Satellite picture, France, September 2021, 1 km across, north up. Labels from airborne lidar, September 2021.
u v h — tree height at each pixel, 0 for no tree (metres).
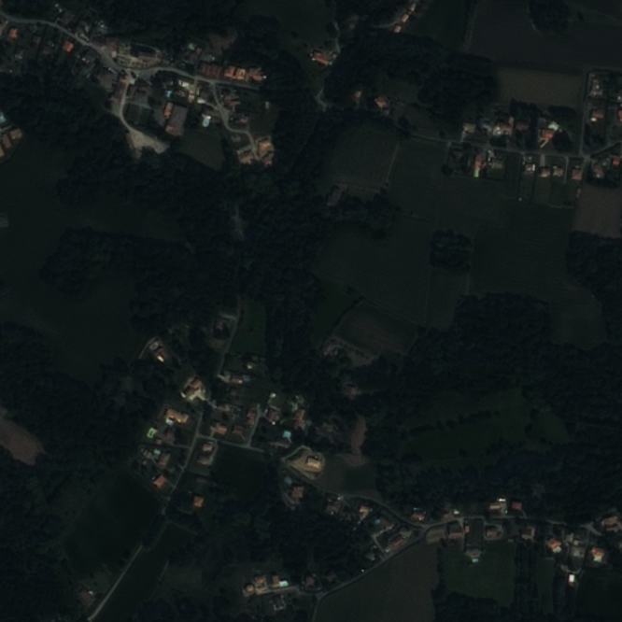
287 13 0
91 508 0
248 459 0
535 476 24
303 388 21
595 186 8
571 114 11
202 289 22
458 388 23
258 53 23
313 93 0
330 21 0
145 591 0
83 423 29
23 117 24
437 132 0
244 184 28
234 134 0
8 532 24
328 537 25
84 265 32
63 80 14
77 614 19
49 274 20
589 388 21
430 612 0
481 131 8
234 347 0
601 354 22
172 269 36
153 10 23
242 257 30
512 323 20
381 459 19
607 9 0
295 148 28
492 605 15
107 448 22
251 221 16
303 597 0
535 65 0
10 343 17
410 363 19
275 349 32
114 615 0
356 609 0
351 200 8
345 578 19
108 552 0
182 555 16
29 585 14
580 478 24
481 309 18
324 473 0
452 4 0
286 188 32
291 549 27
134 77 8
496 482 22
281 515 20
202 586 0
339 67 17
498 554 0
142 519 0
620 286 27
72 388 25
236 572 0
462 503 15
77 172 22
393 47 20
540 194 0
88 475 13
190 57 0
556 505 27
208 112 0
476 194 0
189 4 26
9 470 13
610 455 21
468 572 0
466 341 21
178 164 28
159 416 0
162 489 0
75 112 21
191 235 17
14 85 18
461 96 20
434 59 17
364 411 25
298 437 14
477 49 0
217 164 0
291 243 25
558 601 16
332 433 0
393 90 0
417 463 14
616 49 0
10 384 24
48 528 22
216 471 0
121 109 0
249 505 0
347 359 7
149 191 32
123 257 28
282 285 27
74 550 0
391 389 25
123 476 0
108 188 26
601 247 9
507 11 0
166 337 17
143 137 0
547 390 21
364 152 0
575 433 23
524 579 8
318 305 16
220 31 14
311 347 12
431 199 0
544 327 19
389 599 0
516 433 0
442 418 0
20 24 0
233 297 17
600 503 25
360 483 0
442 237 15
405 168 0
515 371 25
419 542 0
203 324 18
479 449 0
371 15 22
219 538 0
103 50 0
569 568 10
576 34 0
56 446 19
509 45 0
